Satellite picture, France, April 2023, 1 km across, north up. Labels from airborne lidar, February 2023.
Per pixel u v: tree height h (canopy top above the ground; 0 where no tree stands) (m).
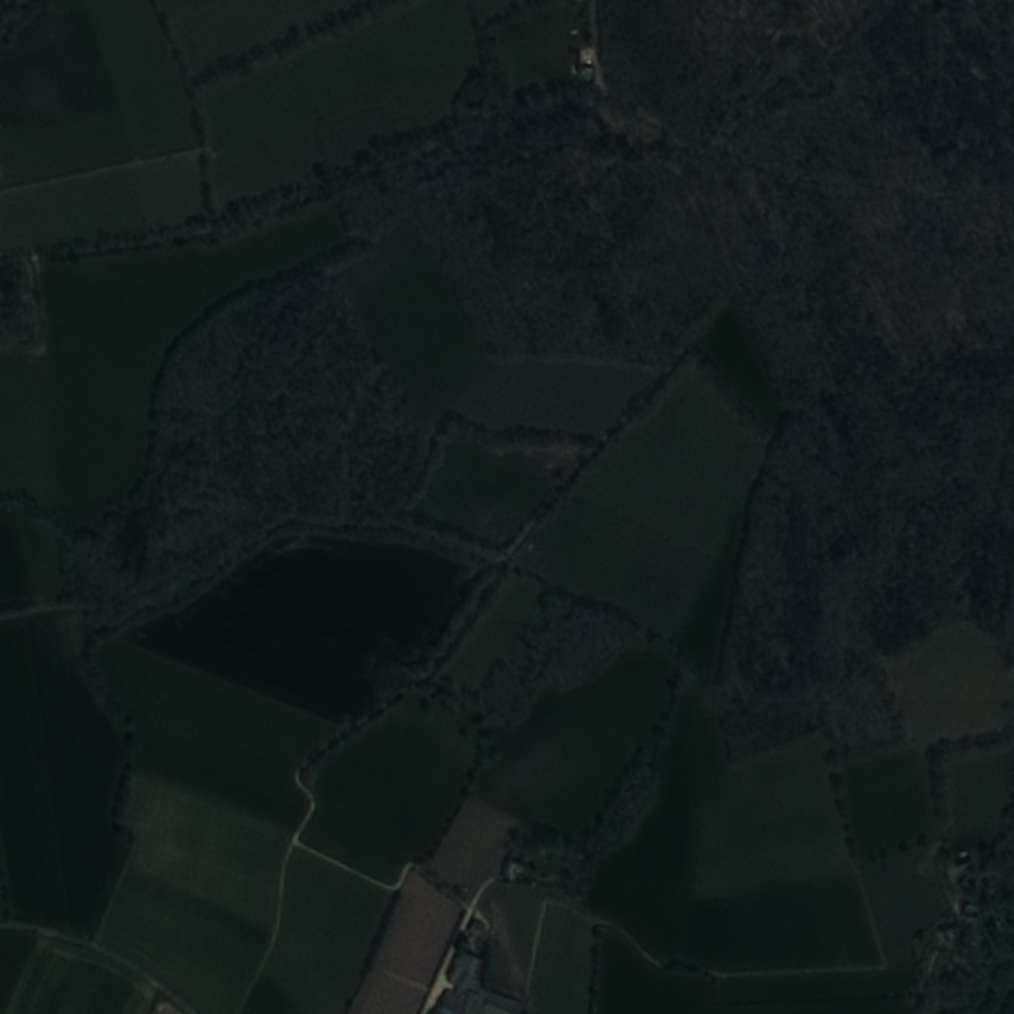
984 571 19
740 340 0
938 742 0
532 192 18
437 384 0
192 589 10
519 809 0
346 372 22
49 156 0
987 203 21
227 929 0
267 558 0
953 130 19
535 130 21
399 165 20
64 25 0
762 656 20
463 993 0
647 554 0
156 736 0
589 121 22
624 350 16
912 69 18
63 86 0
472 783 8
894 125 21
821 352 20
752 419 16
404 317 0
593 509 0
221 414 9
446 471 0
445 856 0
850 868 0
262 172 0
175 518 6
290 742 0
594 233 19
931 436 14
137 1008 0
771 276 20
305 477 16
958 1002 12
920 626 23
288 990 0
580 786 0
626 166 16
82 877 0
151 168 0
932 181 20
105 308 0
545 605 15
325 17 0
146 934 0
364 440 6
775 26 14
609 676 0
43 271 0
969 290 16
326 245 0
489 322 19
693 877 0
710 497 0
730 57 12
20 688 0
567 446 15
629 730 0
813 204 18
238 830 0
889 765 0
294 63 0
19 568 0
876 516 16
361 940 0
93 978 0
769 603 20
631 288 18
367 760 0
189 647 0
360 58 0
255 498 15
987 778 0
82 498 0
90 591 13
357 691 0
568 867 16
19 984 0
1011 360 19
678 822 0
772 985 0
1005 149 22
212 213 13
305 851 0
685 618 0
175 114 0
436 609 0
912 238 23
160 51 0
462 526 0
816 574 20
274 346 21
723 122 16
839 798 9
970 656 0
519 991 0
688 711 0
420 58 0
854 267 15
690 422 0
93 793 0
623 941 0
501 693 18
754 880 0
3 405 0
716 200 20
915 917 0
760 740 15
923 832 0
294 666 0
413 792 0
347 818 0
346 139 0
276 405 7
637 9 8
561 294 17
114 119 0
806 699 17
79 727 0
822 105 21
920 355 19
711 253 16
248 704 0
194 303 0
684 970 8
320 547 0
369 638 0
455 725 0
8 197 0
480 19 16
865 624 19
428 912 0
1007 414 18
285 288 16
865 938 0
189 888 0
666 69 8
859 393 20
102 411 0
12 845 0
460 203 19
